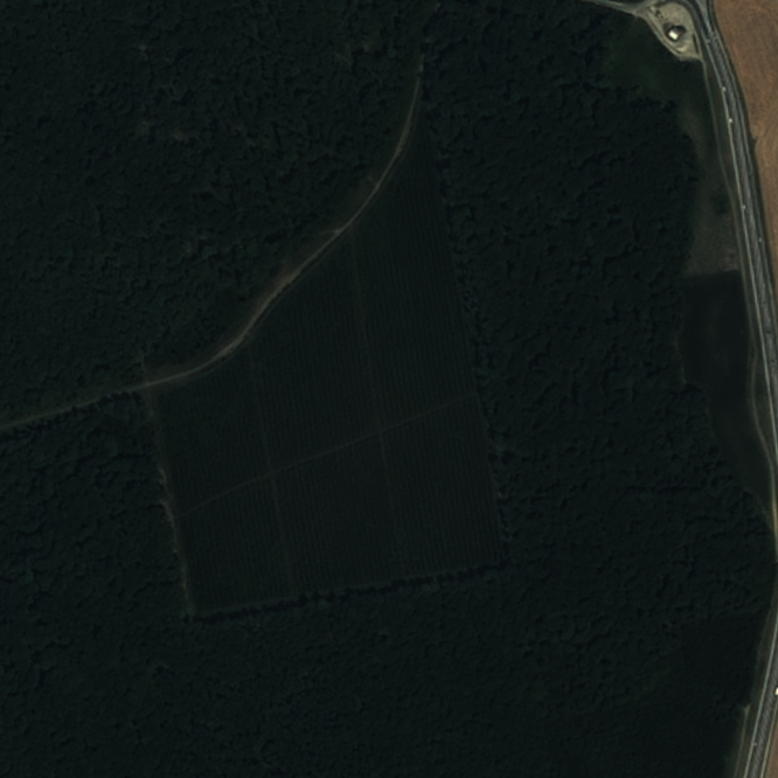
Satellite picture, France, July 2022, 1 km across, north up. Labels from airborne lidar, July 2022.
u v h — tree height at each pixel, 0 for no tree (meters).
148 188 26
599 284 31
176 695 25
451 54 29
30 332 20
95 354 25
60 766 27
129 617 26
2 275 22
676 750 18
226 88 23
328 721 27
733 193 0
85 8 20
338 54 19
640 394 30
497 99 31
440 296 6
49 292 18
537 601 24
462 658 23
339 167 25
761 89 0
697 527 26
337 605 23
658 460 27
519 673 25
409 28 27
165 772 25
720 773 12
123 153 26
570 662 13
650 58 0
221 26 20
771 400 0
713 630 10
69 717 28
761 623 14
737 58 0
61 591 29
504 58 31
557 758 14
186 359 11
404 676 26
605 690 23
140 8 21
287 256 25
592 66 32
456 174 27
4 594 22
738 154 0
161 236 17
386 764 27
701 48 0
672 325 24
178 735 25
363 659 25
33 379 28
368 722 23
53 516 27
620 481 23
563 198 28
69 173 19
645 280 30
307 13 20
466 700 24
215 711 27
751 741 0
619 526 25
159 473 28
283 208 23
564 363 27
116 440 13
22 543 29
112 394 0
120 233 21
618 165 28
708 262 0
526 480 23
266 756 23
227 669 25
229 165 21
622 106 25
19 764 27
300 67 20
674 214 21
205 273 20
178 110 23
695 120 0
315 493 6
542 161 29
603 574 28
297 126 26
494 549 6
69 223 20
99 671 26
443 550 6
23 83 20
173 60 21
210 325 8
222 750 26
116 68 17
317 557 6
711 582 28
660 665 24
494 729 28
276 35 22
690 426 33
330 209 23
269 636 26
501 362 26
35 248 19
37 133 26
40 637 27
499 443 24
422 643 25
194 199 25
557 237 28
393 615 24
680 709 15
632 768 20
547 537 24
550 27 29
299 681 26
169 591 27
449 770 26
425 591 25
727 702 21
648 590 26
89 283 15
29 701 28
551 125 29
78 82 25
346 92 22
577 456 25
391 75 22
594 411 27
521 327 27
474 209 27
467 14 27
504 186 28
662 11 0
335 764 28
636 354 29
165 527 27
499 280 27
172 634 27
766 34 0
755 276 0
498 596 25
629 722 18
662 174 26
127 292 20
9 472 23
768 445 0
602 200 32
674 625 20
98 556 25
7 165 20
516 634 25
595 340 27
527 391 23
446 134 28
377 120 26
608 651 25
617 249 31
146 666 24
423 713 26
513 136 25
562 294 28
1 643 27
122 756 26
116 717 24
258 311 0
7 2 20
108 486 25
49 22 17
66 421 15
